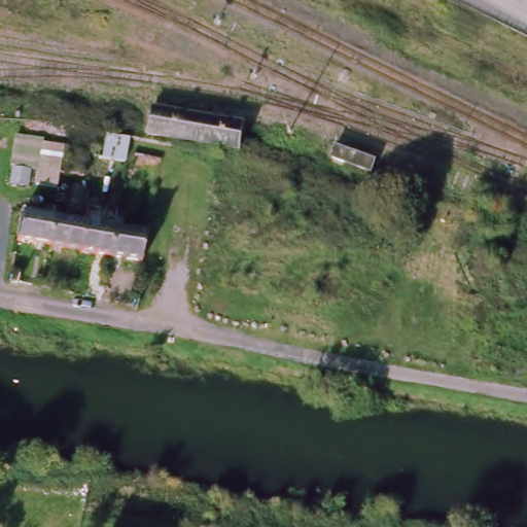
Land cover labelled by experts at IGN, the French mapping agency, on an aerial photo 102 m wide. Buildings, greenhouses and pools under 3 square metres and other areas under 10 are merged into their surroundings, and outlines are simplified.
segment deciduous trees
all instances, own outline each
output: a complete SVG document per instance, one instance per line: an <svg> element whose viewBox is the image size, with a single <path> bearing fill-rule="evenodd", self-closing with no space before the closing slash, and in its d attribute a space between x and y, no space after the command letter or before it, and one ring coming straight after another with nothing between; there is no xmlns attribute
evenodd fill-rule
<svg viewBox="0 0 527 527"><path fill-rule="evenodd" d="M72 461L68 461L72 471L105 471L111 465L109 455L93 447L78 447Z"/></svg>
<svg viewBox="0 0 527 527"><path fill-rule="evenodd" d="M375 235L377 239L393 243L397 249L416 249L418 243L424 243L436 218L438 202L434 196L422 189L424 179L416 173L375 173L375 179L371 183L358 183L352 187L350 212L366 220L373 226Z"/></svg>
<svg viewBox="0 0 527 527"><path fill-rule="evenodd" d="M49 469L60 469L64 461L54 447L45 447L39 441L23 441L16 449L16 455L25 461L25 467L37 476L45 476Z"/></svg>
<svg viewBox="0 0 527 527"><path fill-rule="evenodd" d="M441 527L496 527L494 517L482 506L465 506L463 513L449 515L447 525L441 525Z"/></svg>
<svg viewBox="0 0 527 527"><path fill-rule="evenodd" d="M391 527L399 517L395 502L387 496L366 498L362 511L371 527Z"/></svg>

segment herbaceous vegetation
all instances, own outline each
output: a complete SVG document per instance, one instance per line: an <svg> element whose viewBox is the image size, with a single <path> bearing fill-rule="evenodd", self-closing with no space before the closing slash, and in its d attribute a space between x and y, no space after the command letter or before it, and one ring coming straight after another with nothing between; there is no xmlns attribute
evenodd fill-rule
<svg viewBox="0 0 527 527"><path fill-rule="evenodd" d="M113 467L103 478L93 478L89 484L82 484L80 488L16 486L14 482L6 482L0 486L0 527L226 527L194 525L185 521L185 504L121 494L119 490L128 484L121 473L117 473Z"/></svg>
<svg viewBox="0 0 527 527"><path fill-rule="evenodd" d="M366 377L360 383L354 375L321 373L317 371L317 364L309 362L296 364L282 358L259 356L233 346L206 346L194 340L167 340L165 331L132 331L109 325L91 325L82 321L51 319L43 315L0 309L0 346L25 348L29 352L51 352L56 356L91 356L97 350L107 350L111 354L142 356L148 364L156 368L177 366L181 360L194 366L196 371L226 368L243 379L261 379L276 385L290 385L296 389L303 401L315 408L327 408L333 420L354 420L364 416L377 416L381 412L434 410L457 412L461 416L478 414L486 418L517 420L527 426L527 403L513 403L410 381L395 381L389 379L389 375L377 379L375 383L371 377Z"/></svg>
<svg viewBox="0 0 527 527"><path fill-rule="evenodd" d="M249 142L241 140L239 146L245 154L253 154L261 161L270 156L268 150L272 144L280 148L290 148L294 152L309 152L315 156L317 165L325 165L327 161L331 161L336 156L333 138L321 140L315 132L296 128L292 124L284 126L257 121L257 132L253 134L253 138Z"/></svg>
<svg viewBox="0 0 527 527"><path fill-rule="evenodd" d="M432 72L441 78L476 86L478 91L498 101L504 101L513 107L521 107L523 111L527 111L527 37L490 16L463 8L451 0L340 0L344 12L360 8L366 14L366 19L385 23L395 35L410 39L406 45L406 54L401 58L410 58L418 68L424 68L426 72Z"/></svg>
<svg viewBox="0 0 527 527"><path fill-rule="evenodd" d="M375 179L375 173L371 169L360 171L362 165L350 161L346 161L344 165L331 163L323 173L327 181L352 187L358 183L371 183Z"/></svg>
<svg viewBox="0 0 527 527"><path fill-rule="evenodd" d="M121 8L107 8L101 0L0 0L0 29L12 27L14 31L25 35L76 41L82 45L113 47L111 29L124 25L126 21L132 21L134 14Z"/></svg>
<svg viewBox="0 0 527 527"><path fill-rule="evenodd" d="M89 146L84 140L66 134L62 173L58 183L39 185L35 177L31 177L27 185L10 185L10 156L14 152L16 134L21 132L21 128L27 126L27 119L19 109L0 113L0 198L12 202L8 220L8 245L4 255L6 286L37 290L41 294L66 301L84 296L91 292L89 272L93 255L74 251L64 251L62 255L58 255L47 245L35 249L31 245L19 243L21 218L43 218L54 222L146 237L144 259L124 259L124 270L134 274L134 282L132 288L128 288L126 292L109 292L111 301L132 303L144 309L161 290L167 268L175 261L185 261L189 270L185 286L187 303L189 307L198 307L200 317L206 323L233 329L245 336L272 340L284 346L319 350L319 354L329 354L331 346L336 344L346 348L342 360L371 360L379 354L387 366L399 366L410 350L424 352L432 342L443 344L445 317L441 311L436 311L436 303L441 298L457 298L457 274L467 268L467 237L459 235L459 224L463 220L465 210L461 206L438 202L436 218L424 243L418 243L416 249L397 249L393 243L377 239L375 235L371 239L364 239L364 243L356 245L356 249L346 249L348 257L340 257L336 247L315 239L303 239L301 231L294 229L278 231L274 222L261 224L257 231L249 222L241 222L235 226L218 224L218 220L214 218L214 210L210 210L204 216L194 206L196 196L191 196L185 187L189 187L198 179L198 169L202 165L216 167L222 148L212 146L208 142L191 142L187 138L175 136L150 136L144 132L144 136L134 136L134 142L130 142L124 163L107 165L105 161L99 161L99 156L103 154L103 144Z"/></svg>

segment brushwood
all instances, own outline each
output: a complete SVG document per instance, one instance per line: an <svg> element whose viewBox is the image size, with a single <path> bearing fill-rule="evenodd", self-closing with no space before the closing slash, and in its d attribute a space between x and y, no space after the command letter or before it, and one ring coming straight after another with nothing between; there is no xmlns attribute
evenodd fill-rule
<svg viewBox="0 0 527 527"><path fill-rule="evenodd" d="M441 525L418 519L406 521L399 517L391 527L441 527Z"/></svg>
<svg viewBox="0 0 527 527"><path fill-rule="evenodd" d="M385 23L366 19L366 14L360 8L344 12L340 0L298 0L301 4L325 12L348 27L360 29L362 33L371 35L371 39L377 45L401 58L406 54L406 45L410 39L395 35Z"/></svg>
<svg viewBox="0 0 527 527"><path fill-rule="evenodd" d="M424 352L410 350L399 366L414 371L447 373L476 381L527 387L527 218L521 212L508 208L504 196L473 196L471 187L461 187L461 206L465 210L463 220L459 224L459 235L467 237L467 268L457 274L457 298L441 298L436 303L436 311L441 311L445 317L443 344L432 342Z"/></svg>
<svg viewBox="0 0 527 527"><path fill-rule="evenodd" d="M93 478L103 478L113 467L111 465L105 471L72 471L68 461L64 461L60 469L49 469L45 476L37 476L25 467L25 461L16 455L0 455L0 486L6 482L14 482L16 486L80 488L82 484L89 484Z"/></svg>
<svg viewBox="0 0 527 527"><path fill-rule="evenodd" d="M101 286L109 284L109 276L115 272L115 259L103 257Z"/></svg>
<svg viewBox="0 0 527 527"><path fill-rule="evenodd" d="M218 224L235 226L241 222L249 222L257 231L261 224L274 222L278 231L294 229L301 231L303 239L315 239L336 247L340 257L348 257L346 249L356 249L356 245L364 243L364 239L371 239L375 235L373 226L366 220L350 212L352 187L327 181L323 173L331 163L331 161L327 161L325 165L317 165L315 156L309 152L294 152L290 148L280 148L272 144L268 150L270 156L261 161L253 154L245 154L239 146L222 148L216 167L202 165L198 169L198 179L189 187L185 187L191 196L196 196L194 206L204 216L210 210L214 210L214 218L218 220Z"/></svg>
<svg viewBox="0 0 527 527"><path fill-rule="evenodd" d="M296 502L286 502L278 498L259 500L251 492L231 496L218 488L204 490L198 484L181 482L169 476L169 471L165 469L156 469L150 473L121 473L128 484L119 490L121 494L185 504L185 521L194 525L226 527L371 527L362 511L348 515L346 500L340 494L325 496L319 508L307 511Z"/></svg>
<svg viewBox="0 0 527 527"><path fill-rule="evenodd" d="M89 146L103 144L107 134L134 136L144 136L144 132L144 117L142 109L136 103L126 99L91 99L78 91L25 91L21 86L0 84L0 113L19 109L27 119L39 119L49 121L54 126L62 126L66 134L84 140Z"/></svg>

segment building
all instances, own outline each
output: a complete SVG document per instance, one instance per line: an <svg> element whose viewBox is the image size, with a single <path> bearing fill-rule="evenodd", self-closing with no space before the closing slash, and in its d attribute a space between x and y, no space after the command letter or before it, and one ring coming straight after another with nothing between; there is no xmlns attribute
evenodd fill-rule
<svg viewBox="0 0 527 527"><path fill-rule="evenodd" d="M222 148L239 146L241 140L241 130L229 128L224 124L202 124L156 113L144 117L144 132L150 136L175 136L187 138L191 142L208 142L212 146Z"/></svg>
<svg viewBox="0 0 527 527"><path fill-rule="evenodd" d="M124 163L130 142L134 142L134 136L107 134L103 144L103 154L99 156L99 161L105 161L107 165Z"/></svg>
<svg viewBox="0 0 527 527"><path fill-rule="evenodd" d="M19 243L31 245L35 249L47 245L58 255L62 255L64 251L74 251L93 255L103 257L115 259L124 259L144 259L146 237L54 222L43 218L21 218Z"/></svg>
<svg viewBox="0 0 527 527"><path fill-rule="evenodd" d="M66 134L62 126L54 126L49 121L39 119L27 119L27 126L21 128L21 132L16 134L14 152L10 156L10 185L27 185L31 177L35 177L39 185L58 183L62 173Z"/></svg>

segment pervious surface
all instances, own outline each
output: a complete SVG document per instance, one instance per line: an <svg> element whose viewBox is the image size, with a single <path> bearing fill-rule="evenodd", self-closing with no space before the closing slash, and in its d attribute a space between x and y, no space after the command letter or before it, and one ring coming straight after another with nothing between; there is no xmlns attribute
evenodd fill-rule
<svg viewBox="0 0 527 527"><path fill-rule="evenodd" d="M331 163L344 165L346 161L350 161L362 165L360 171L371 169L375 173L416 173L424 179L422 189L434 196L438 202L461 206L461 187L471 187L473 196L504 196L508 208L521 212L527 218L527 111L523 111L521 107L513 107L504 101L498 101L478 91L476 86L441 78L432 72L426 72L424 68L418 68L410 58L401 58L377 45L371 39L371 35L362 33L360 29L348 27L325 12L301 4L298 0L101 0L107 8L121 8L134 14L132 21L126 21L124 25L111 29L113 47L82 45L76 41L25 35L14 31L12 27L0 29L0 84L21 86L25 91L78 91L91 99L126 99L136 103L142 109L144 117L156 113L202 124L224 124L229 128L241 130L241 140L249 142L253 138L253 134L257 132L257 121L284 126L292 124L296 128L315 132L321 140L333 138L336 156L331 161Z"/></svg>

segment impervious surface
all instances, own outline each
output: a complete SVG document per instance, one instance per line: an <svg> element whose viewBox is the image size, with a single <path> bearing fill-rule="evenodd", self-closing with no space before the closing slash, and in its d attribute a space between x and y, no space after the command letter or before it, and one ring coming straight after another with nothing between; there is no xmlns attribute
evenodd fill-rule
<svg viewBox="0 0 527 527"><path fill-rule="evenodd" d="M43 315L51 319L82 321L91 325L109 325L132 331L165 331L167 340L194 340L206 346L233 346L259 356L282 358L296 364L309 362L317 364L317 371L321 373L354 375L360 383L366 377L371 377L375 383L377 379L389 375L389 379L395 381L410 381L513 403L527 403L527 387L476 381L447 373L414 371L399 366L387 366L379 354L371 360L342 360L346 348L336 344L331 346L329 354L319 354L319 350L284 346L272 340L245 336L233 329L206 323L200 317L198 307L189 307L187 303L185 286L189 270L185 261L175 261L167 268L161 290L144 309L132 303L111 301L109 292L126 292L128 288L132 288L134 282L134 274L124 270L124 259L115 259L115 272L109 276L109 284L101 286L103 257L93 255L89 272L91 292L84 296L66 301L41 294L37 290L6 286L4 255L8 245L8 220L12 202L0 198L0 309Z"/></svg>
<svg viewBox="0 0 527 527"><path fill-rule="evenodd" d="M451 0L463 8L490 16L527 37L527 0Z"/></svg>

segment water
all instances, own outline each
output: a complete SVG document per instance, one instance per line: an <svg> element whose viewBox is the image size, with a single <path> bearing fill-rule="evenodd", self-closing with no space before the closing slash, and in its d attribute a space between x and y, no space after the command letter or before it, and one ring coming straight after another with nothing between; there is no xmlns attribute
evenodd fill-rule
<svg viewBox="0 0 527 527"><path fill-rule="evenodd" d="M447 525L449 515L463 513L465 506L482 506L494 517L496 527L527 527L527 426L517 420L486 418L478 414L461 416L457 412L434 410L381 412L377 416L364 416L354 420L333 420L327 408L315 408L303 401L296 389L290 385L276 385L261 379L243 379L226 368L196 371L194 366L181 360L177 366L156 368L148 364L142 356L111 354L107 350L97 350L91 356L56 356L51 352L29 352L25 348L0 346L0 455L16 455L16 449L23 441L39 441L45 447L54 447L64 461L68 461L72 461L78 447L93 447L109 455L111 465L113 467L117 473L121 473L150 473L156 469L165 469L169 471L169 476L181 482L198 484L204 490L218 488L231 496L251 492L259 500L278 498L286 502L296 502L307 511L319 508L325 496L340 494L346 500L348 515L362 511L366 498L387 496L395 502L399 517L406 521L418 519L441 525Z"/></svg>

